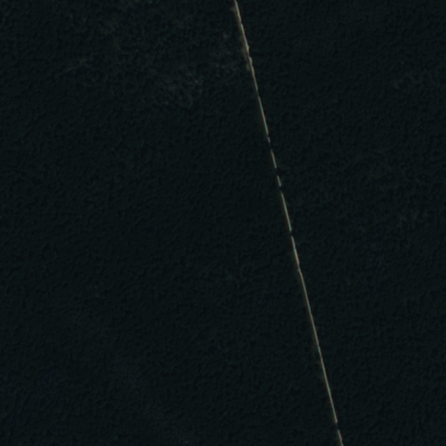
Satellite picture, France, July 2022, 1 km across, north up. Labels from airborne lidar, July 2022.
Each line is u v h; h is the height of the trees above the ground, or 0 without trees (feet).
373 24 94
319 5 73
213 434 83
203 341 96
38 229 91
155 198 82
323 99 82
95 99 92
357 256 81
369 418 87
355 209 39
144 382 85
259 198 92
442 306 88
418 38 84
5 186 95
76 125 90
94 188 86
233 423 92
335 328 73
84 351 83
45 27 105
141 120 79
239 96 99
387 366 80
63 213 90
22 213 86
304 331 74
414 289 81
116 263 90
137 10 73
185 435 91
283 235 71
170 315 83
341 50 84
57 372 84
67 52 95
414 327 81
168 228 100
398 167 84
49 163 92
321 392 85
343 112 70
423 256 85
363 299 68
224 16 38
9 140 81
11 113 94
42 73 85
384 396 86
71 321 77
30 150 92
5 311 74
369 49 74
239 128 87
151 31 82
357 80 72
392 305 85
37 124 79
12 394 63
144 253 95
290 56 79
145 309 90
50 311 81
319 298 45
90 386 73
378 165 78
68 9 30
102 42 73
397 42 77
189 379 85
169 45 89
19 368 92
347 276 84
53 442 104
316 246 76
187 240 98
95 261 96
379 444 71
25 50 90
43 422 97
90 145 94
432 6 92
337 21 60
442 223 70
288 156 75
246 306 86
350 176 78
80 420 88
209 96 52
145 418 79
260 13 96
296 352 80
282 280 92
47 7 85
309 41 75
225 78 69
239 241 90
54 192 88
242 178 93
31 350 89
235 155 92
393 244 84
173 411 80
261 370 90
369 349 83
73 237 84
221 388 90
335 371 87
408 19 91
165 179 89
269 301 87
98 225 75
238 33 81
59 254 88
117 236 92
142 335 98
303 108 78
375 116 85
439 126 96
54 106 91
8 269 82
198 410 82
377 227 26
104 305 86
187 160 82
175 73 82
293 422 91
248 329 90
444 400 86
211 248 102
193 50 79
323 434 85
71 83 90
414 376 62
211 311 91
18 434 100
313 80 87
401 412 75
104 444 85
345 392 83
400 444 76
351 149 81
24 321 71
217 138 87
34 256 89
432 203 92
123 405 73
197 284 92
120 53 27
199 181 78
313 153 77
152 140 23
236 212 95
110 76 26
